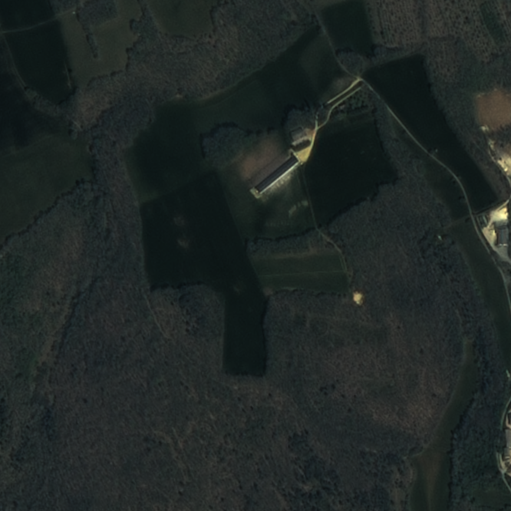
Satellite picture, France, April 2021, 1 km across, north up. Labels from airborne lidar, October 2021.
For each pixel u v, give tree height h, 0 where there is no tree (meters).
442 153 0
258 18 18
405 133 10
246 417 7
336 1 0
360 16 0
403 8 6
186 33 0
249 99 0
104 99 15
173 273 0
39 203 0
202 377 10
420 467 0
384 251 15
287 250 16
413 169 16
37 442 18
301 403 16
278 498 11
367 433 15
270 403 7
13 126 0
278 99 0
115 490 13
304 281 0
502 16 9
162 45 14
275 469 13
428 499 0
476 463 10
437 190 0
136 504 12
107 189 12
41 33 0
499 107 0
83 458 9
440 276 12
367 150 0
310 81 0
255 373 0
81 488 10
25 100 0
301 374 16
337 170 0
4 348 19
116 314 9
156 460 11
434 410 10
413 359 11
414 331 13
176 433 6
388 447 15
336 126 0
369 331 0
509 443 0
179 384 9
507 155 0
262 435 10
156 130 0
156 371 11
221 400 10
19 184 0
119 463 9
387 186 16
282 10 22
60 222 18
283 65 0
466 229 0
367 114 0
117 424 13
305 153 0
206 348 18
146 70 12
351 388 8
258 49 15
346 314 8
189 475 12
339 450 12
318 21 14
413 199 15
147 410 15
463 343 10
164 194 0
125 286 8
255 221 0
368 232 15
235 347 0
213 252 0
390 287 10
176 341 8
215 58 14
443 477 0
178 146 0
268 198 0
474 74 16
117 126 17
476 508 7
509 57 14
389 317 10
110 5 15
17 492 17
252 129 0
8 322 16
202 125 0
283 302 12
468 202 0
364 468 15
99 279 10
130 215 15
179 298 8
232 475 10
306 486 12
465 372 0
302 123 18
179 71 15
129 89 18
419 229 21
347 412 10
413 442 10
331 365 7
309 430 11
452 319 18
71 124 11
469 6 9
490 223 0
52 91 0
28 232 13
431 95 13
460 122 18
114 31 0
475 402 9
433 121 0
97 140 17
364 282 10
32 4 0
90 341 10
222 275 0
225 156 19
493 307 0
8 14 0
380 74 0
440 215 24
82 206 19
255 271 0
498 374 12
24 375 21
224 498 8
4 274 16
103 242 18
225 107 0
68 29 0
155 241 0
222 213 0
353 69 17
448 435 0
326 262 0
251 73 17
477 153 10
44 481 14
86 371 7
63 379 9
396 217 18
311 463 10
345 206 0
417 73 0
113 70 0
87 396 10
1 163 0
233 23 20
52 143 0
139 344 10
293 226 0
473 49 7
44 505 11
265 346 13
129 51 11
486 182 0
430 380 8
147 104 19
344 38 0
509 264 9
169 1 0
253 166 0
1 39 0
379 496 13
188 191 0
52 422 17
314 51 0
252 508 14
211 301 16
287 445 6
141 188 0
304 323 9
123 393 14
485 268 0
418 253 11
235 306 0
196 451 13
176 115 0
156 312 8
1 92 0
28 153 0
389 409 8
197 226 0
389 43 9
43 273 16
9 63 0
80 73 0
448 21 10
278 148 0
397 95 0
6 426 8
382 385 0
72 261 16
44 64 0
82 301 13
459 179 7
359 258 13
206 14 0
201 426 8
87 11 16
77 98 11
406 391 8
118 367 9
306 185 0
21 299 16
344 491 12
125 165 0
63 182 0
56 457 11
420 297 14
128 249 15
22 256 19
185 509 11
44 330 12
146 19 17
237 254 0
